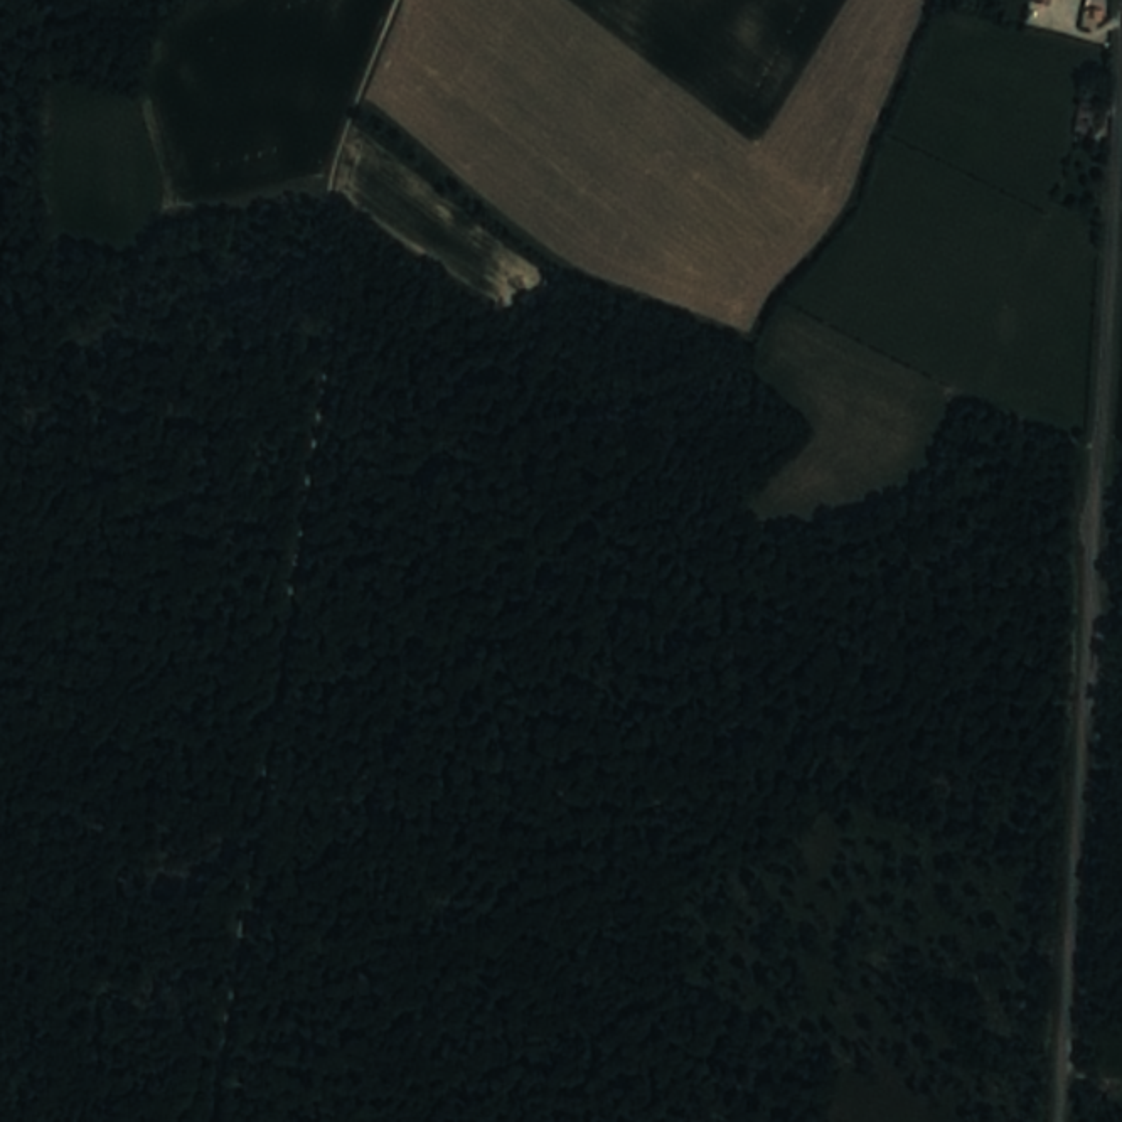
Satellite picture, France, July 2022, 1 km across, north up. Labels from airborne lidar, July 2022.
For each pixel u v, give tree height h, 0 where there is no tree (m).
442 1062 27
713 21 0
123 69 23
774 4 0
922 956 23
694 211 0
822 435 0
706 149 0
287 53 0
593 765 19
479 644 28
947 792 8
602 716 26
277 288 28
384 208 0
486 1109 26
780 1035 15
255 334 28
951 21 0
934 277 0
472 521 28
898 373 0
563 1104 17
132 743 25
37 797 24
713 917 25
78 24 25
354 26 0
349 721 29
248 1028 23
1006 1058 24
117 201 0
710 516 25
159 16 24
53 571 27
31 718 23
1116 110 0
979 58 0
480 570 24
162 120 0
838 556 25
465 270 0
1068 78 0
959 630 24
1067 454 23
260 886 14
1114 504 22
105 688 25
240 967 27
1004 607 24
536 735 28
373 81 0
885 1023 0
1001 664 23
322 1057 27
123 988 30
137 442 21
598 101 0
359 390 19
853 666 28
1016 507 17
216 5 0
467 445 26
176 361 24
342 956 19
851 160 0
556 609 29
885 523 21
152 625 26
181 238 26
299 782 25
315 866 29
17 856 22
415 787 29
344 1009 27
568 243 0
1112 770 25
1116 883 26
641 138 0
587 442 28
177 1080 27
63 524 21
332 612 29
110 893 27
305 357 27
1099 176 13
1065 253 0
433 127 0
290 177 0
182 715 25
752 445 25
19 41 28
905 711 26
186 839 30
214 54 0
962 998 25
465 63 0
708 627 28
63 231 0
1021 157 0
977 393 0
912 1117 0
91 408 25
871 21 0
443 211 0
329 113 0
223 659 28
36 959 23
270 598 28
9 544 21
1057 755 21
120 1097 27
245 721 27
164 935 32
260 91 0
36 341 30
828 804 26
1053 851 25
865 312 0
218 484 25
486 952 15
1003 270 0
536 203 0
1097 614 0
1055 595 19
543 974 20
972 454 26
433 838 28
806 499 0
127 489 26
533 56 0
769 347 0
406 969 26
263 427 17
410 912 25
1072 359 0
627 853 26
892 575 26
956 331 0
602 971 23
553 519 29
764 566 28
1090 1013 25
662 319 22
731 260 0
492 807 29
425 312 25
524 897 20
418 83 0
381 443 26
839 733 24
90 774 25
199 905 29
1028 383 0
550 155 0
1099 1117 26
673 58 0
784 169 0
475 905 27
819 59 0
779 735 25
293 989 30
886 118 14
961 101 0
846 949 21
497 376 22
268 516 22
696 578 33
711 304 0
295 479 18
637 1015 28
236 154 0
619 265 0
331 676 16
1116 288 0
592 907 22
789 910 15
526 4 0
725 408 25
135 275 26
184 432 24
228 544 27
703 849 27
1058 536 27
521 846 28
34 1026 24
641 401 23
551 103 0
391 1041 28
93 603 23
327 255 28
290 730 28
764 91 0
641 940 21
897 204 0
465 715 25
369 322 13
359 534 28
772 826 24
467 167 0
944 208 0
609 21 0
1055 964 16
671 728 28
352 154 0
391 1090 25
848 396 0
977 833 23
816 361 0
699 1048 15
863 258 0
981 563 23
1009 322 0
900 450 0
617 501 22
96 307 28
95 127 0
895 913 25
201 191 0
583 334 26
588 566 23
